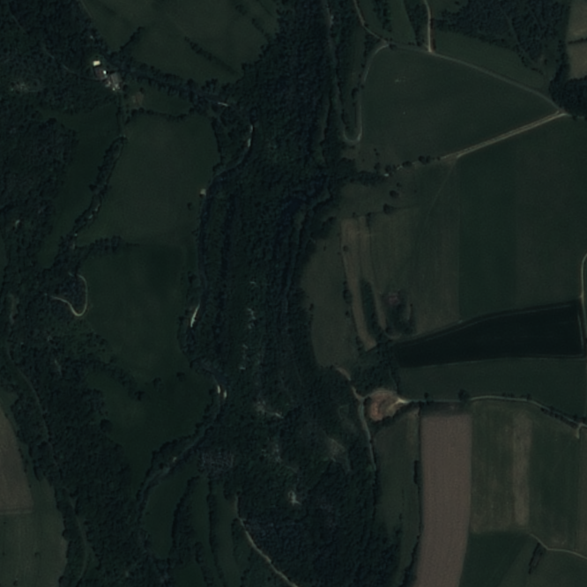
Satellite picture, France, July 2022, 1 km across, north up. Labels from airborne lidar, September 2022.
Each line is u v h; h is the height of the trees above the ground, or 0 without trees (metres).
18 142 12
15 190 18
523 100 0
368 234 0
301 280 18
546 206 0
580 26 0
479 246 0
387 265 0
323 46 22
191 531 15
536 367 0
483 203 0
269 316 5
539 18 10
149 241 0
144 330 0
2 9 19
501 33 9
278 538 22
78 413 17
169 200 0
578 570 0
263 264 12
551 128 0
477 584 0
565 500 0
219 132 21
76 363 17
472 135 0
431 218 0
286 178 24
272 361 6
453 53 0
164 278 0
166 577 22
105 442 21
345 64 8
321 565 20
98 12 0
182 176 0
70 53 24
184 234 0
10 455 0
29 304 12
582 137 0
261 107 16
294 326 17
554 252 0
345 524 21
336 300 0
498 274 0
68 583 17
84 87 6
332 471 19
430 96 0
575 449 0
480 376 0
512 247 0
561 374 0
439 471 0
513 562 0
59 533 0
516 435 0
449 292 0
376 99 0
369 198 0
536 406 0
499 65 0
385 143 0
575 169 0
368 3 0
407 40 0
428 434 0
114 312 0
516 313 0
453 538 0
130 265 0
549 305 0
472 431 0
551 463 0
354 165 12
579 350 0
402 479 0
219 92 20
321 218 17
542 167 0
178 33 0
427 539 0
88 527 17
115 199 0
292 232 22
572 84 18
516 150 0
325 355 0
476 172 0
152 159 0
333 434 11
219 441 12
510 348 0
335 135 16
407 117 0
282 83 12
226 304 31
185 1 0
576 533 0
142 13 0
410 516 0
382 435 0
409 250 0
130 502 25
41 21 16
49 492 0
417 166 0
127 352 0
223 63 7
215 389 8
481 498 0
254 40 0
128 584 14
